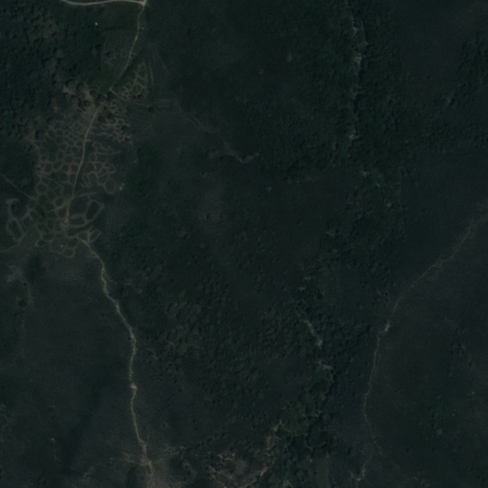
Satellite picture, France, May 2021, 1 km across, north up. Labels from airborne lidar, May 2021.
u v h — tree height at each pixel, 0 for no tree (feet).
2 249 0
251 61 17
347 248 57
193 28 43
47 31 25
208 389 36
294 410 62
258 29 19
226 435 43
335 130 25
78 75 43
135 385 0
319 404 54
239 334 24
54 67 24
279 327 39
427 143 51
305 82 23
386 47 39
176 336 51
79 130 0
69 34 35
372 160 53
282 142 34
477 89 40
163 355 44
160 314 21
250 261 42
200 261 30
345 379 30
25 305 31
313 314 65
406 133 60
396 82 37
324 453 35
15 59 28
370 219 56
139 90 0
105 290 0
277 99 22
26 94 18
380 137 52
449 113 19
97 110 0
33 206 0
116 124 0
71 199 0
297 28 37
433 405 20
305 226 19
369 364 31
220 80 18
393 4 21
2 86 23
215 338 37
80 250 0
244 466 0
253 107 40
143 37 0
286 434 47
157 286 34
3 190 17
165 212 24
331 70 37
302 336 49
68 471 18
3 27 20
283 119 30
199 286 50
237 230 19
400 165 46
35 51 30
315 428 58
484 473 25
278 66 21
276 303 32
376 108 56
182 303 40
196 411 21
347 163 53
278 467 39
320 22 51
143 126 0
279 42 21
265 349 32
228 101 20
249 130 22
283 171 48
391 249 49
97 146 0
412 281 0
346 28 47
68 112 0
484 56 46
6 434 0
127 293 39
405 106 42
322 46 31
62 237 0
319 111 49
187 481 37
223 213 29
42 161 0
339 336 42
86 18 29
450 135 41
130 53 0
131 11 0
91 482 0
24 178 39
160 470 0
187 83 19
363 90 42
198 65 19
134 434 0
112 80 0
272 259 34
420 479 22
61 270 0
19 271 0
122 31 0
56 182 0
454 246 0
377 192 46
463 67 56
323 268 47
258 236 26
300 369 19
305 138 38
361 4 43
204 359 46
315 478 0
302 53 34
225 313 35
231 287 20
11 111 40
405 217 22
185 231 39
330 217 18
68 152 0
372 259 41
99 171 0
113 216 0
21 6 43
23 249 0
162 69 0
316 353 54
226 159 57
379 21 35
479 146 42
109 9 0
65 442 18
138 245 33
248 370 37
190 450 38
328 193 19
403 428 17
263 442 43
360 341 55
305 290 45
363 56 23
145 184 37
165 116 0
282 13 21
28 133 31
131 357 0
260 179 20
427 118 50
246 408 20
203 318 30
